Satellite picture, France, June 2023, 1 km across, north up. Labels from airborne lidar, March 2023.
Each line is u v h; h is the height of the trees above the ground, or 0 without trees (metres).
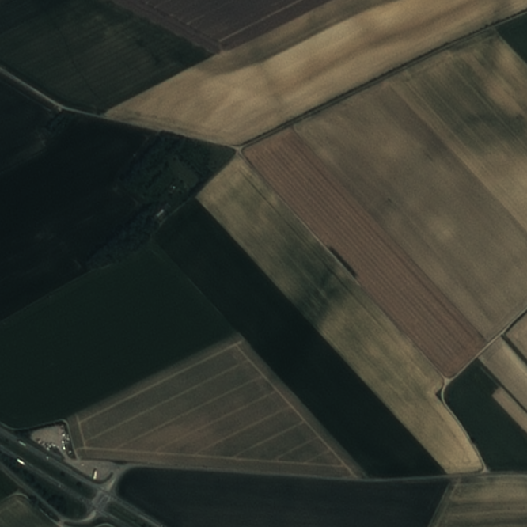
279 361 0
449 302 0
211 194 0
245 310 0
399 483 0
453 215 0
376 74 0
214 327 0
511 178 0
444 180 0
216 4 0
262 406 0
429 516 0
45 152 0
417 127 0
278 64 0
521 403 0
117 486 0
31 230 0
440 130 0
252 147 0
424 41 0
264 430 0
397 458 0
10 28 0
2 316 0
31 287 0
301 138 0
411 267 0
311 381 0
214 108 0
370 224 0
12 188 0
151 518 0
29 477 12
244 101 0
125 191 0
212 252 0
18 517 0
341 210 0
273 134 0
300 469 0
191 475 0
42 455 0
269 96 0
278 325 0
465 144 0
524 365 0
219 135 0
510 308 0
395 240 0
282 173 0
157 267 0
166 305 0
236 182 0
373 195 0
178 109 0
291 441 0
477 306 0
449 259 0
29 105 0
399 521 0
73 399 0
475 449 0
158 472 0
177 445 0
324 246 0
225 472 0
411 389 0
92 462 0
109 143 0
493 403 0
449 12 0
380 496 0
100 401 0
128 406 0
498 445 0
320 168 0
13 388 0
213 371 0
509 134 0
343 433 0
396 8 0
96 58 0
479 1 0
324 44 0
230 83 0
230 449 0
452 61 0
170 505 0
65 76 0
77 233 0
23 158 0
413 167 0
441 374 0
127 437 0
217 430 0
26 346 0
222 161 0
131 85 0
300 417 0
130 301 0
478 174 0
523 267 0
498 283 0
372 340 0
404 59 0
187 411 0
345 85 0
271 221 0
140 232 20
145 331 0
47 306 0
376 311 0
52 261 0
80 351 0
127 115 0
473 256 0
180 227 0
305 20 0
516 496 0
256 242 0
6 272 0
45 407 0
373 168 0
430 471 0
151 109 0
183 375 0
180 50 0
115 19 0
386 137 0
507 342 0
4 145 0
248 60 0
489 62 0
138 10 0
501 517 0
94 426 0
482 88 0
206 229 0
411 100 0
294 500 0
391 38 0
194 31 0
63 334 0
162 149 15
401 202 0
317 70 0
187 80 0
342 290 0
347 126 0
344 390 0
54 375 0
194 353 0
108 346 0
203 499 0
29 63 0
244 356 0
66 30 0
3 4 0
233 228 0
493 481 0
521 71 0
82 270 0
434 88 0
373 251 0
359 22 0
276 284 0
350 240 0
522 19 0
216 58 0
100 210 0
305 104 0
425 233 0
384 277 0
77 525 0
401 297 0
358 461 0
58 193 0
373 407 0
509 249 0
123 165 0
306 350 0
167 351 0
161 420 0
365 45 0
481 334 0
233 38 0
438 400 0
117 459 0
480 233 0
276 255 0
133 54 0
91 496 0
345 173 0
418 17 0
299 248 0
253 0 0
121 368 0
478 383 0
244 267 0
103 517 0
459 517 0
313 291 0
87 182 0
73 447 0
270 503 0
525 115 0
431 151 0
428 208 0
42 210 0
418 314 0
